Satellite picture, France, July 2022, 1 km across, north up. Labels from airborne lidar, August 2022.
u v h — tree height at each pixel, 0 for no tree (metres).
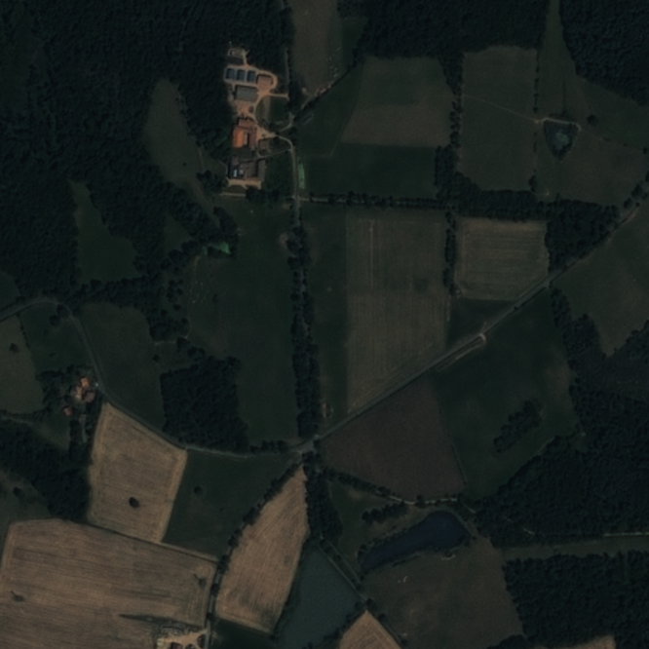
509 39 15
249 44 15
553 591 21
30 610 0
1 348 0
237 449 18
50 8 21
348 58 0
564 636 10
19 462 20
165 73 14
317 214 0
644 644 17
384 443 0
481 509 9
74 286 19
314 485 21
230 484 0
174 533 0
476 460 0
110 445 0
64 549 0
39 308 0
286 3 11
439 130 0
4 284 0
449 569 0
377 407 0
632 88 22
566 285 0
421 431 0
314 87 0
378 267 0
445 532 0
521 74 0
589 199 0
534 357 0
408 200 11
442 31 21
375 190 0
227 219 21
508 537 17
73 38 20
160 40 13
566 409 0
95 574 0
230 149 10
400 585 0
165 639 0
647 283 0
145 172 19
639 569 7
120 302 20
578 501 8
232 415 25
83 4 25
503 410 0
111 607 0
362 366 0
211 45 7
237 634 0
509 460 0
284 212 0
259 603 0
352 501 0
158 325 21
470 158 0
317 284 0
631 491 23
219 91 14
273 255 0
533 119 0
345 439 0
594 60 25
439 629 0
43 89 17
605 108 0
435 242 0
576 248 13
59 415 0
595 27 23
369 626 0
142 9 13
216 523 0
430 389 0
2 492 0
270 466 0
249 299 0
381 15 13
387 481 0
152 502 0
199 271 0
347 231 0
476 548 0
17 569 0
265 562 0
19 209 15
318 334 0
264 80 0
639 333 12
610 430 20
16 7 25
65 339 0
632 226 0
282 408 0
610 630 18
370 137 0
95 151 27
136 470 0
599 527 17
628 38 15
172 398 14
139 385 0
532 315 0
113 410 0
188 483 0
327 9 0
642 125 0
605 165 0
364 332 0
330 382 0
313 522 15
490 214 8
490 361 0
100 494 0
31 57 0
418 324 0
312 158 0
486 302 0
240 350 0
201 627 0
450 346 0
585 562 18
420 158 0
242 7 16
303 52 0
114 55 21
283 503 0
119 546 0
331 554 12
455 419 0
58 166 17
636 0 12
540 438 0
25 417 8
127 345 0
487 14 12
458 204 10
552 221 12
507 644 16
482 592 0
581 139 0
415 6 12
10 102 0
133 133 12
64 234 17
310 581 0
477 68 0
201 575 0
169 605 0
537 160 0
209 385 21
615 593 22
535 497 17
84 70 6
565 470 11
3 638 0
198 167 0
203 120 14
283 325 0
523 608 19
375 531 0
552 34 0
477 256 0
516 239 0
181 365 0
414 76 0
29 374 0
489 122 0
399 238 0
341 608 0
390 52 17
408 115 0
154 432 0
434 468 0
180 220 17
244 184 0
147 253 20
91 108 21
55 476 20
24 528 0
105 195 20
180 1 17
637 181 0
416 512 0
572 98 0
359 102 0
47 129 19
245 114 0
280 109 0
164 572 0
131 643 0
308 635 0
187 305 0
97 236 0
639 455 16
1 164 21
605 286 0
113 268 0
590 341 15
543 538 16
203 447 8
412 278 0
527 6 17
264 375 0
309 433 17
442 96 0
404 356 0
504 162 0
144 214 26
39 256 15
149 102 14
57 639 0
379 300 0
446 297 0
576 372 16
